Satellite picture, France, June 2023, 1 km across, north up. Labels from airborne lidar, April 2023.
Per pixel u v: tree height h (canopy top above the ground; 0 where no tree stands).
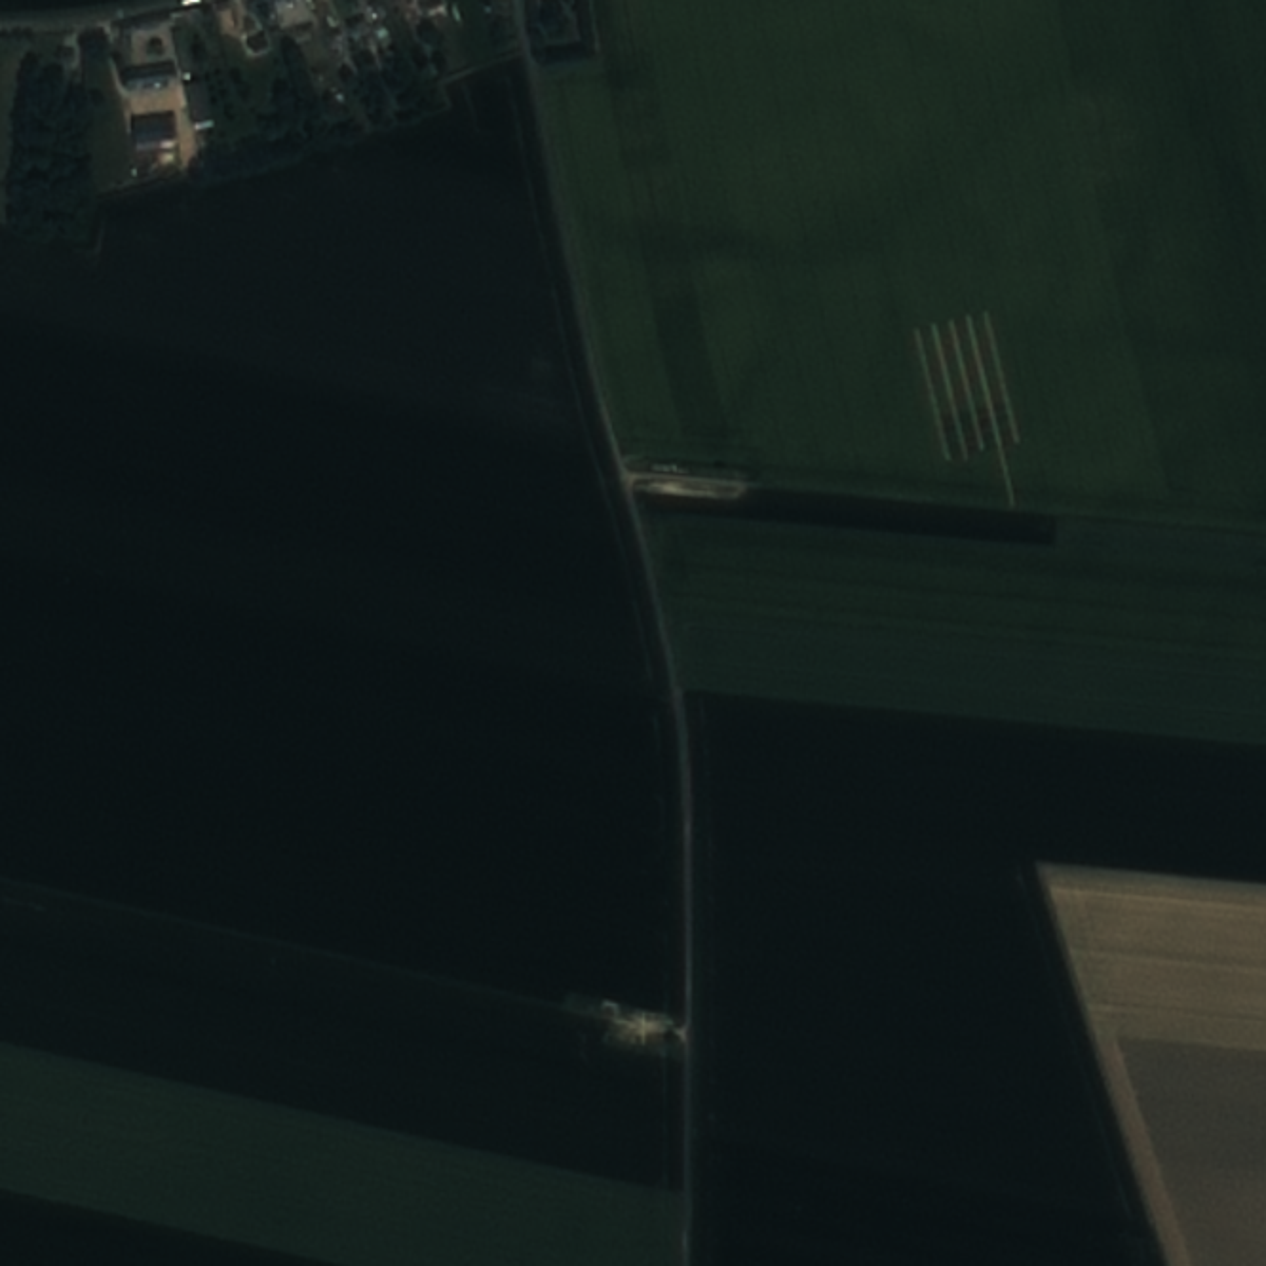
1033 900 0
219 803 0
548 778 0
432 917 0
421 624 0
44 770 0
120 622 0
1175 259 0
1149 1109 0
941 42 0
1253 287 0
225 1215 0
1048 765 0
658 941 0
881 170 0
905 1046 0
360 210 0
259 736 0
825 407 0
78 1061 0
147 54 0
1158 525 0
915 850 0
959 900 0
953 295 0
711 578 0
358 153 0
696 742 0
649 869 0
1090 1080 0
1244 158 0
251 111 6
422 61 14
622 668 0
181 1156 0
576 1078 0
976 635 0
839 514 0
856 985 0
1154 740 0
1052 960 0
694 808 0
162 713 0
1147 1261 0
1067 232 0
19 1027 0
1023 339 0
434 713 0
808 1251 0
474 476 0
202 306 0
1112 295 0
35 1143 0
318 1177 0
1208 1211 0
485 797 0
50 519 0
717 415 0
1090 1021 0
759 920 0
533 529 0
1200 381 0
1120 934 0
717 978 0
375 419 0
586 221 0
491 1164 0
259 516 0
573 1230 0
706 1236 0
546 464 0
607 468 0
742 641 0
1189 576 0
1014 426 0
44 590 0
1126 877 0
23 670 0
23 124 22
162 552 0
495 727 0
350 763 0
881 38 0
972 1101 0
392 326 0
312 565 0
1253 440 0
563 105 0
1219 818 0
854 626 0
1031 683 0
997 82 0
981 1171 0
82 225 20
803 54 0
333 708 0
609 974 0
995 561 0
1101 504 0
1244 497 0
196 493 0
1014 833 0
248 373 0
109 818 0
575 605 0
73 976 0
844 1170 0
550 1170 0
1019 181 0
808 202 0
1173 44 0
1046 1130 0
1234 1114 0
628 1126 0
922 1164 0
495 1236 0
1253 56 0
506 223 0
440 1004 0
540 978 0
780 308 0
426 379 0
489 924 0
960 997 0
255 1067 0
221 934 0
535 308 0
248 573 0
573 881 0
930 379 0
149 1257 0
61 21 0
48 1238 0
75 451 0
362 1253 0
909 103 0
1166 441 0
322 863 0
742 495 0
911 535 0
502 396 0
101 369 0
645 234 0
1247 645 0
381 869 0
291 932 0
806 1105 0
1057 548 0
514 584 0
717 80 0
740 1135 0
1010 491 0
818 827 0
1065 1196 0
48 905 0
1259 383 0
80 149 10
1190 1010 0
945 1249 0
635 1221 0
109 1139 0
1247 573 0
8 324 0
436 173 0
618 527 0
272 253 0
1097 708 0
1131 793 0
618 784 0
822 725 0
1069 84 0
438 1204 0
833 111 0
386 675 0
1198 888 0
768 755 0
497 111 0
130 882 0
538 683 0
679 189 0
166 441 0
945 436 0
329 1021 0
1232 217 0
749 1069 0
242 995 0
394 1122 0
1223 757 0
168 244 0
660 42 0
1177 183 0
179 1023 0
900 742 0
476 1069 0
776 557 0
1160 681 0
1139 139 0
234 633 0
